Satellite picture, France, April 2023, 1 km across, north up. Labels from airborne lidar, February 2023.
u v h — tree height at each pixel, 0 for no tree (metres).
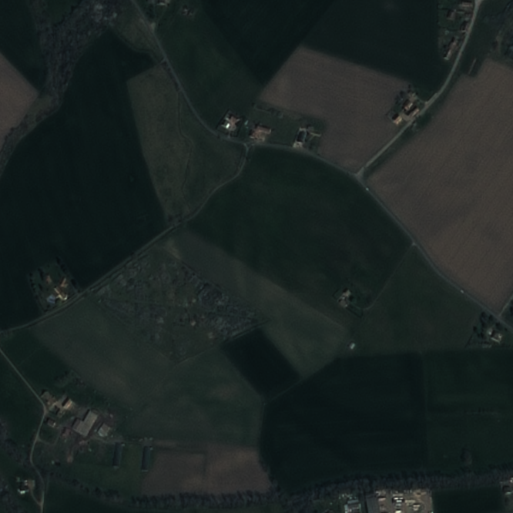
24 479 0
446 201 0
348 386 0
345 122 0
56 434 0
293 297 0
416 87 6
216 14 0
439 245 0
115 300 0
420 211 0
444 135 0
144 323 0
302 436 0
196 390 0
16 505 12
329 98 0
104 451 0
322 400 0
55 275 0
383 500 0
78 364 0
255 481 0
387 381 0
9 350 0
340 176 0
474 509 0
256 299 0
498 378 0
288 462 0
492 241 0
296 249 0
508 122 0
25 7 0
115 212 0
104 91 0
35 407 0
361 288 0
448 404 0
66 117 0
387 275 0
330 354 0
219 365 0
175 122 0
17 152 0
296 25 0
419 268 0
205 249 0
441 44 0
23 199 0
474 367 0
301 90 0
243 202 0
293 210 0
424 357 0
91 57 0
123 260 0
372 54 0
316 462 0
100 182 0
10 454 19
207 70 0
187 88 0
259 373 0
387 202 0
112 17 6
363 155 0
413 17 0
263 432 0
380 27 0
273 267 0
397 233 0
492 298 0
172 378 0
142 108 0
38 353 0
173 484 0
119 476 0
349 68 0
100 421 0
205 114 0
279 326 0
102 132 0
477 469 0
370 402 0
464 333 0
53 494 0
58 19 0
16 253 0
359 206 0
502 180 0
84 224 0
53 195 0
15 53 0
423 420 0
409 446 0
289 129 0
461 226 0
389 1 0
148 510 16
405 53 0
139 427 0
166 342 0
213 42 0
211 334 0
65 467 0
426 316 0
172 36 0
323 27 0
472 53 0
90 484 0
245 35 0
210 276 0
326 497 14
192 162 0
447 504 0
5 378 0
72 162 0
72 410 0
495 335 0
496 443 0
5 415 0
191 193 0
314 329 0
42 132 0
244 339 0
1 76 0
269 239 0
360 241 0
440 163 0
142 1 0
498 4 0
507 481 16
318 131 0
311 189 0
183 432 0
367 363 0
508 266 0
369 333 0
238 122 7
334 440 0
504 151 0
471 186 0
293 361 0
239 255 0
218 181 0
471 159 0
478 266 0
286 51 0
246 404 0
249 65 0
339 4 0
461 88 0
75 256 0
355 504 0
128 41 0
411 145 0
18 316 0
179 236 0
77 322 0
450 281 0
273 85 0
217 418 0
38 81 0
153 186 0
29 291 0
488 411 7
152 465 0
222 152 0
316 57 0
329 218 0
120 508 0
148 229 0
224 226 0
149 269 0
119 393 0
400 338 0
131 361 0
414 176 0
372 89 0
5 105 0
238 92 0
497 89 0
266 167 0
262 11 0
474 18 0
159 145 0
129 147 0
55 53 18
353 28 0
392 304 0
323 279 0
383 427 0
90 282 0
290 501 11
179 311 0
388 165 0
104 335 0
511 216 0
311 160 0
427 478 18
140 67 0
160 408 0
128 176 0
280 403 0
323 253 0
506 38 0
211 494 0
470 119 0
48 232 0
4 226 0
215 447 0
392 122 0
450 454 0
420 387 0
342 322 0
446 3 0
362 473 0
